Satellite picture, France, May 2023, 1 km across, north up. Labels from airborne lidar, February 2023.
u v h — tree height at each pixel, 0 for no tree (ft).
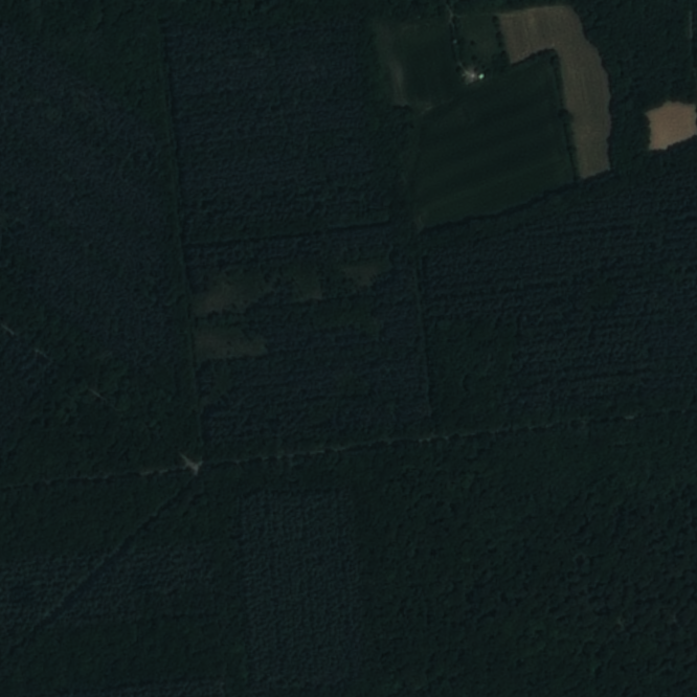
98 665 54
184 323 57
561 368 28
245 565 74
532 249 97
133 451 45
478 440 45
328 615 76
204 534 56
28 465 51
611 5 50
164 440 54
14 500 52
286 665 82
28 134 72
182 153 62
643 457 50
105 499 51
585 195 79
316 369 66
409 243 60
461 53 22
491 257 80
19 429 57
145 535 60
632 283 85
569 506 65
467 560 76
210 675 54
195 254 76
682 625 78
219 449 56
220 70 61
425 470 62
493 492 53
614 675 72
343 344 63
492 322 49
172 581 64
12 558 43
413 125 19
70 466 57
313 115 70
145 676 64
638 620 77
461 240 74
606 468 56
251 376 61
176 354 50
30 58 66
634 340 69
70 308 69
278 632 83
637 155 48
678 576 66
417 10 66
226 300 0
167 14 58
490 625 75
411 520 60
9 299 62
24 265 48
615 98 48
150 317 70
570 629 66
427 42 0
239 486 52
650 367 60
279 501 68
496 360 63
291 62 70
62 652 50
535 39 0
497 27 20
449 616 66
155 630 70
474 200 0
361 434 41
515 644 58
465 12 52
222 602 61
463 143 0
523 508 61
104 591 77
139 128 75
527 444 55
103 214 75
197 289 85
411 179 0
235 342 0
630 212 73
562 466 42
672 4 46
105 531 52
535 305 90
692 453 49
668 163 56
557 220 94
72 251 65
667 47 49
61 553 55
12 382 44
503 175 0
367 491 50
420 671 58
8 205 64
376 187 49
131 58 63
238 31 66
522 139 0
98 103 51
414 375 72
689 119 0
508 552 57
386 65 0
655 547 67
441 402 50
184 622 55
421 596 62
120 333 56
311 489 46
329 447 44
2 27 61
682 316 45
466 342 54
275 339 65
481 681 67
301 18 64
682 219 46
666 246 74
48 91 66
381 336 40
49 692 66
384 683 53
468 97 0
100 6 66
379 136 55
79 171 62
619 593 41
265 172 73
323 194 66
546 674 73
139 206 68
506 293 84
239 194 74
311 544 82
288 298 57
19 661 55
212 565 61
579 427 65
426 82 0
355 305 56
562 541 53
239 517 82
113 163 71
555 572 41
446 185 0
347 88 58
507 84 0
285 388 69
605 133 0
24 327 58
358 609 59
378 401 51
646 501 64
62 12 68
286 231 57
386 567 46
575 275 70
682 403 68
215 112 73
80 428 62
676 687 71
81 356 56
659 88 62
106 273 70
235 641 57
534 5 25
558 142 0
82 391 45
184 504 62
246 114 74
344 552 73
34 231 69
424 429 53
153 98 61
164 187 57
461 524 43
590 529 69
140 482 61
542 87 0
